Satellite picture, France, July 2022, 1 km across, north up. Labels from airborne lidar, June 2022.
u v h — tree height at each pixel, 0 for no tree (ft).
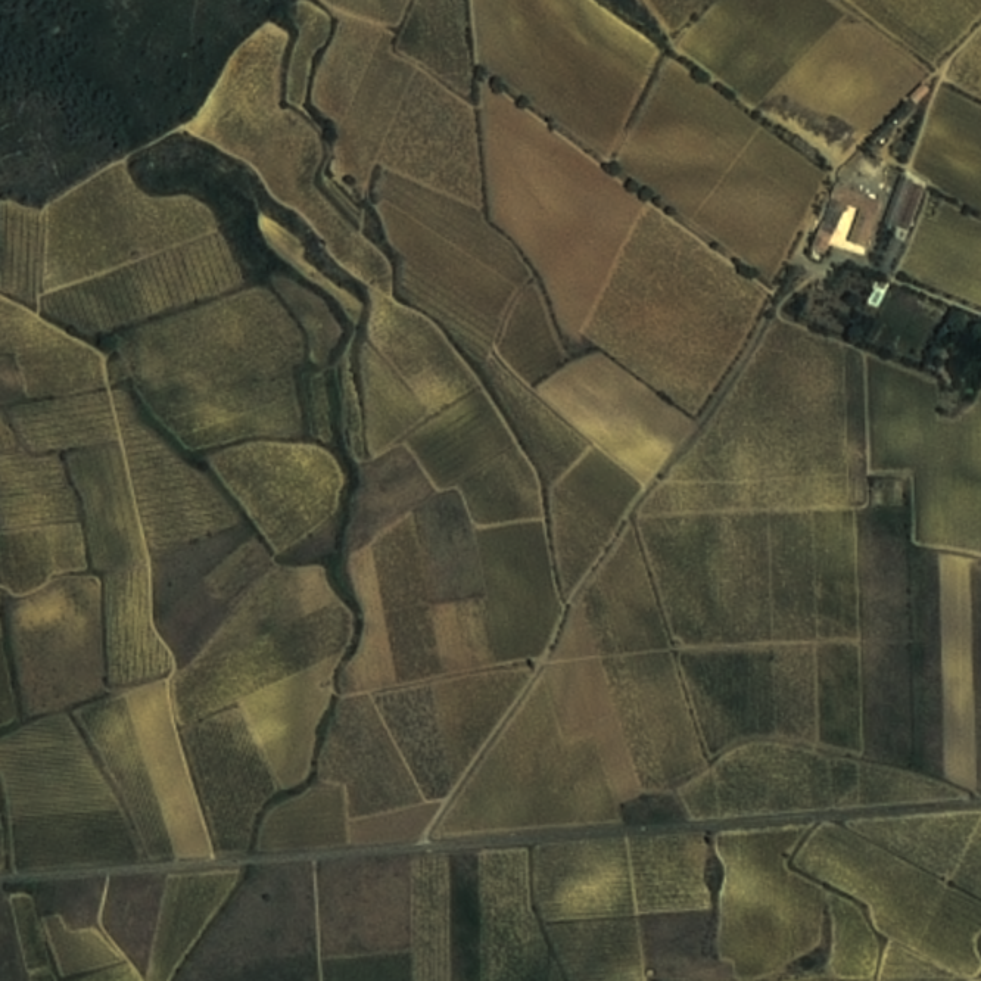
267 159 0
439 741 0
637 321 0
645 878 0
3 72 34
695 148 0
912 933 0
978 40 0
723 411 0
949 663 0
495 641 0
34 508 0
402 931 0
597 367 0
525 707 0
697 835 0
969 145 0
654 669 0
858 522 0
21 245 0
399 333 0
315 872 0
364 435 0
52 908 0
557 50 0
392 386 0
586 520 0
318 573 0
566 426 0
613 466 0
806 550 0
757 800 0
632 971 0
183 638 0
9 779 0
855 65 0
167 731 0
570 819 0
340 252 0
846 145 0
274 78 0
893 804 0
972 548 0
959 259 0
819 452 0
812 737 0
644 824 0
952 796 0
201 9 0
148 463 0
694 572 0
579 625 0
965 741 0
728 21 0
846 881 0
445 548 0
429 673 0
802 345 0
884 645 0
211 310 0
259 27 22
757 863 0
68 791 0
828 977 0
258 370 0
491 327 0
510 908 0
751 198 0
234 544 0
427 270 0
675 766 0
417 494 0
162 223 0
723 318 0
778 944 0
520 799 0
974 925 0
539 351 0
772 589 0
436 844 0
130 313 0
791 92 0
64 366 0
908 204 0
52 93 38
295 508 0
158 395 0
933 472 0
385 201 0
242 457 0
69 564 0
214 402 0
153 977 0
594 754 0
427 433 0
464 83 0
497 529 0
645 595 0
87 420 0
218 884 0
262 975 0
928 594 0
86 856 0
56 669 0
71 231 0
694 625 0
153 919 0
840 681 0
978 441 0
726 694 0
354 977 0
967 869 0
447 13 0
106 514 0
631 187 48
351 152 0
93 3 0
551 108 0
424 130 0
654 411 0
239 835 0
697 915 0
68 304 0
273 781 0
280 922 0
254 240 45
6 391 0
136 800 0
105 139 46
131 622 0
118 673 0
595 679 0
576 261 0
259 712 0
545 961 0
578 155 0
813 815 0
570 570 0
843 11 0
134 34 0
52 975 0
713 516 0
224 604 0
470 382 0
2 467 0
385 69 0
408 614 0
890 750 0
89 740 0
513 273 0
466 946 0
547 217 0
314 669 0
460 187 0
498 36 0
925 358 30
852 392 0
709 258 0
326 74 0
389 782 0
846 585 0
